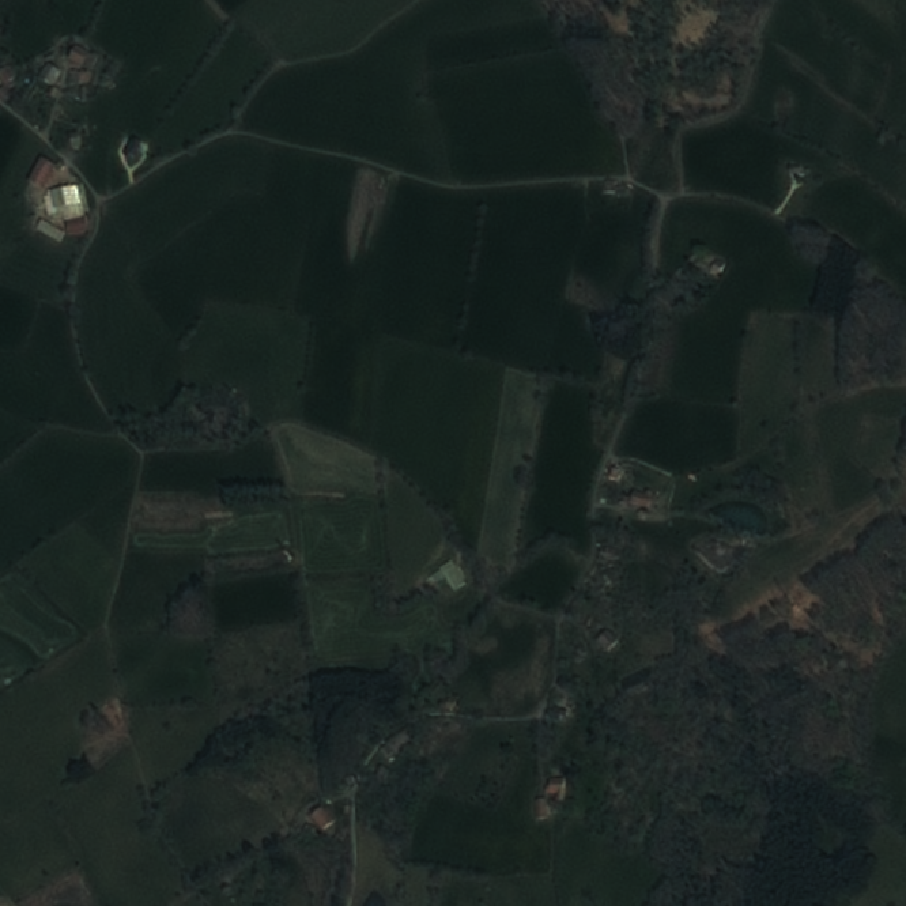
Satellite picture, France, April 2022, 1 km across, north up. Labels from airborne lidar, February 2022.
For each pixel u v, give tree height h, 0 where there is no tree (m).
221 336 0
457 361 0
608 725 22
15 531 0
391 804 19
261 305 0
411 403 0
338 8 0
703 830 25
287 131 0
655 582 0
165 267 0
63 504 0
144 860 0
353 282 0
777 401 0
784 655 34
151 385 0
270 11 0
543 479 0
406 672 20
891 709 0
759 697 24
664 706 22
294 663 0
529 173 0
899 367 24
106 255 0
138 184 0
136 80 0
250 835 0
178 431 18
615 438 0
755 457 0
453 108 0
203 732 0
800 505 0
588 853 0
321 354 0
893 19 0
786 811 28
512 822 0
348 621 0
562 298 0
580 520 0
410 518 0
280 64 0
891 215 0
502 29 0
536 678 0
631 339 25
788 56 0
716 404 0
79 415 0
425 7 0
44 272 0
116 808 0
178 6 0
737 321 0
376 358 0
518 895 0
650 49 20
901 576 33
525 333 0
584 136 0
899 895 0
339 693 20
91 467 0
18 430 0
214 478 0
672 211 0
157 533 0
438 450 0
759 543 18
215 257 0
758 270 0
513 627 0
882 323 32
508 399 0
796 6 0
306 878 0
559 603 0
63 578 0
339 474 0
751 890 27
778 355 0
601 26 22
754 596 0
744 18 0
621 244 0
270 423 0
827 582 29
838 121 0
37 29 0
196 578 0
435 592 19
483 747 0
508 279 0
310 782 0
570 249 0
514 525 0
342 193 0
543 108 0
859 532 0
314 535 0
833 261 16
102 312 0
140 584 0
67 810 0
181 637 16
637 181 0
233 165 0
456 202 0
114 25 0
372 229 0
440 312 0
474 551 15
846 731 26
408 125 0
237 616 0
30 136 0
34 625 0
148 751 0
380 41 0
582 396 0
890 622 15
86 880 0
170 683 0
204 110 0
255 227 0
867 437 0
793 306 0
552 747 26
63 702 0
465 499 0
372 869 0
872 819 25
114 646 0
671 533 0
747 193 0
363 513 0
